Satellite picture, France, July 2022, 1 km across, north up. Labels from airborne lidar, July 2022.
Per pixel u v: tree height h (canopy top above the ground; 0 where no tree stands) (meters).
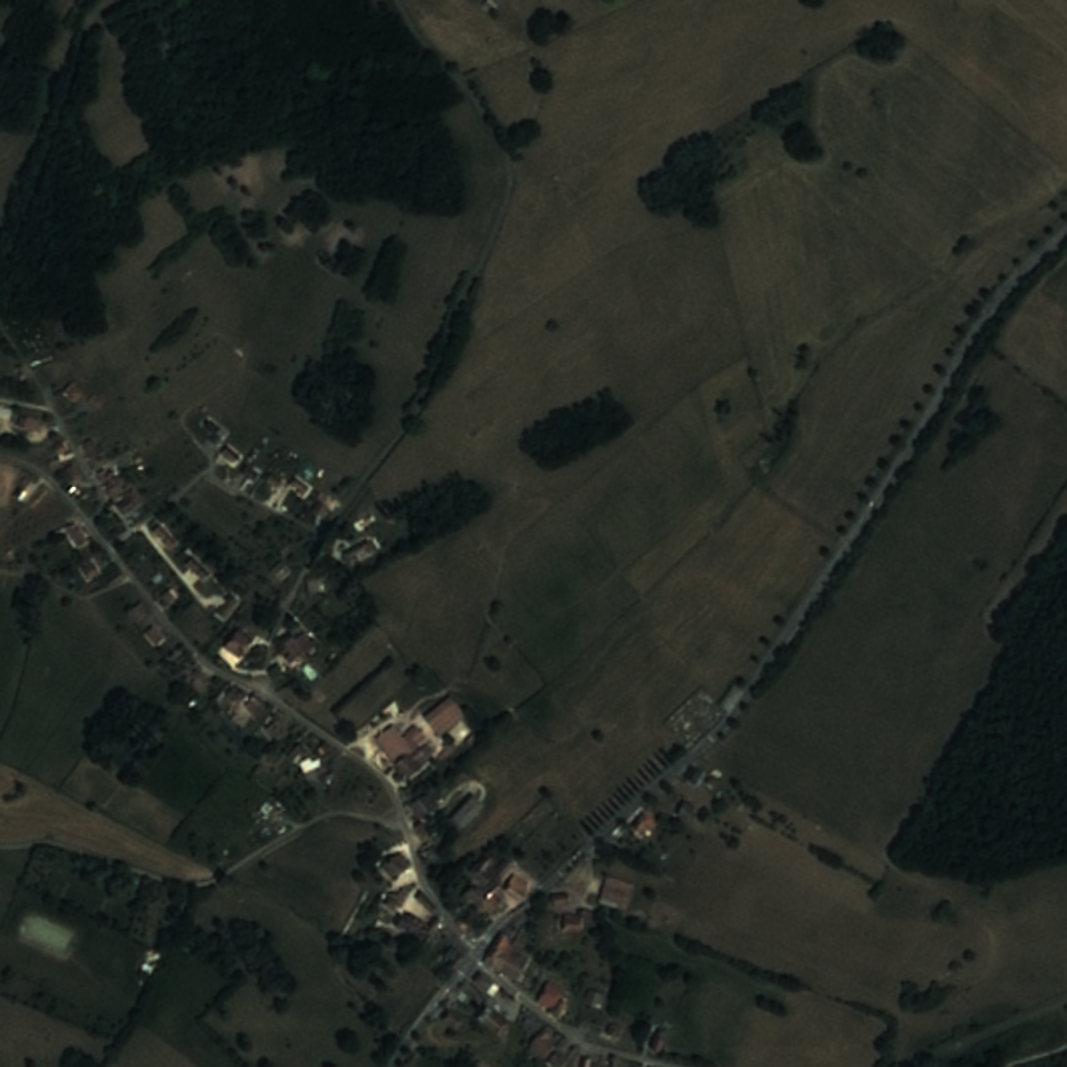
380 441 0
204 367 0
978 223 0
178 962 0
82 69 13
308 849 0
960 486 0
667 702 0
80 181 18
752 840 0
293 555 6
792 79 0
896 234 0
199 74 21
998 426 11
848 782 0
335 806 0
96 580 7
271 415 0
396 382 0
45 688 0
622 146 0
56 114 11
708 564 0
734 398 0
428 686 0
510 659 0
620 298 0
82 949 0
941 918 6
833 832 0
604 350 0
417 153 16
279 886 0
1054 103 0
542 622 0
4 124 16
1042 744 21
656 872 17
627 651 0
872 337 0
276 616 15
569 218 0
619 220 0
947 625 0
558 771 0
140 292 0
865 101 0
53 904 12
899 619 0
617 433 16
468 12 0
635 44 0
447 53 0
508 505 0
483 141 0
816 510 0
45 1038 0
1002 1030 0
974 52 0
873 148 0
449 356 20
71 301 23
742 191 0
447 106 6
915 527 0
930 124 0
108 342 0
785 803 0
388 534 0
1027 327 0
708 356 0
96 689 0
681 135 0
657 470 0
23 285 23
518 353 0
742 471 0
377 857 18
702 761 0
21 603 10
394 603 0
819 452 0
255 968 21
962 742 18
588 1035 0
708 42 0
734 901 0
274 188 0
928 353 0
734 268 0
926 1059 16
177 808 0
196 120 8
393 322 0
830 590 11
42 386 0
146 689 0
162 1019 0
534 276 0
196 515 0
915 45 0
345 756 0
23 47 10
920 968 0
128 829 0
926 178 0
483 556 0
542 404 0
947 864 17
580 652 0
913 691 0
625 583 0
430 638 0
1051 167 0
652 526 0
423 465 0
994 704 14
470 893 0
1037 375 0
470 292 7
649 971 8
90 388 0
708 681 0
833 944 0
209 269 0
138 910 12
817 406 0
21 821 0
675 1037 0
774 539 0
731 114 0
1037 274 10
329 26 12
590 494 0
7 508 0
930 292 0
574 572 0
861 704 0
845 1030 0
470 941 0
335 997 0
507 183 0
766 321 0
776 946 0
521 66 0
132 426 0
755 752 0
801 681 0
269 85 19
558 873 0
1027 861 19
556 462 15
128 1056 0
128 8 13
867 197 0
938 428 9
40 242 18
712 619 0
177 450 0
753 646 0
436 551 0
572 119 0
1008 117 0
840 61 0
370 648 0
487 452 0
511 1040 0
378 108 12
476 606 0
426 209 14
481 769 0
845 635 0
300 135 19
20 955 0
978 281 0
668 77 0
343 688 0
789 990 10
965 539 0
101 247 20
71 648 0
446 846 9
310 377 14
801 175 0
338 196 24
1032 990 0
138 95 16
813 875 0
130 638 0
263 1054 0
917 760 0
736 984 0
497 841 7
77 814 0
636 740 0
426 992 0
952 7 0
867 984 0
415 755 0
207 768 0
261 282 0
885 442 0
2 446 8
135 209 13
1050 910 0
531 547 0
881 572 0
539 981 6
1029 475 0
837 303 0
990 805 22
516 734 0
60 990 0
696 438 0
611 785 0
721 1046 0
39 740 0
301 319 0
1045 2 0
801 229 0
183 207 11
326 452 0
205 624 0
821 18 0
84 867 15
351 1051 18
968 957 11
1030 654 17
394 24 7
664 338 0
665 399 0
